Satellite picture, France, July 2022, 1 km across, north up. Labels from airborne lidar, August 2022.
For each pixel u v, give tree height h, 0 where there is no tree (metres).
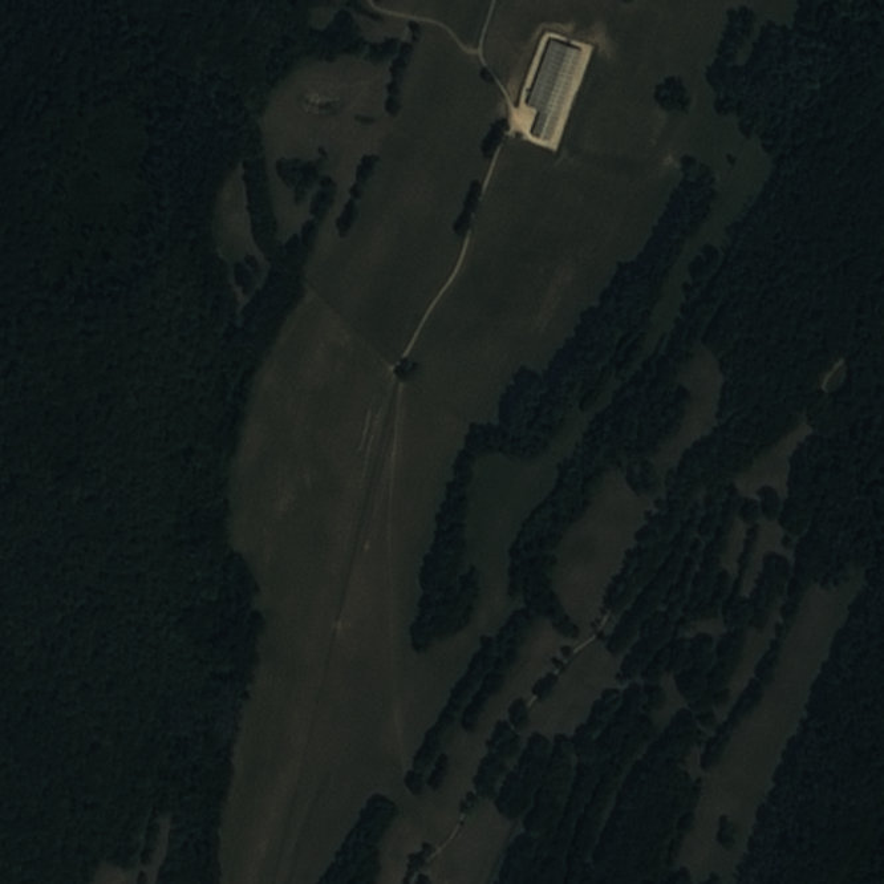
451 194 0
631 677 15
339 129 0
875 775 26
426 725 0
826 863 27
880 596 23
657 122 0
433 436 0
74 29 19
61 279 7
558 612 19
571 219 0
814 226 21
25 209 24
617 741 19
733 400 16
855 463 18
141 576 17
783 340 21
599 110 0
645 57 0
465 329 0
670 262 23
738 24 17
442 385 0
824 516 19
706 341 15
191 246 22
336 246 0
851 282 21
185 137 19
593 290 0
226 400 23
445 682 0
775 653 7
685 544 17
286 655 0
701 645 19
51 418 19
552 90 0
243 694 20
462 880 0
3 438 15
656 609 10
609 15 0
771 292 22
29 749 20
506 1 0
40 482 14
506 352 0
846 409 15
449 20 0
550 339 0
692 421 0
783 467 0
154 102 8
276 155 0
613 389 0
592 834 15
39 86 21
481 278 0
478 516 0
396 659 0
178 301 17
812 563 18
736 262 20
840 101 25
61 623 19
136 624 9
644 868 25
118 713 18
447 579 21
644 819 23
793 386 18
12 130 25
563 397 31
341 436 0
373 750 0
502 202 0
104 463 15
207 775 28
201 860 22
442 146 0
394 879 0
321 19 0
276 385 0
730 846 16
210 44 20
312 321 0
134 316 22
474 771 0
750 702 14
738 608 20
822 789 25
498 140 13
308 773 0
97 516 21
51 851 19
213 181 20
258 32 20
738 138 0
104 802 14
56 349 19
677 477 19
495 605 0
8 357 7
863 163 16
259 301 16
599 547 0
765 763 0
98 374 21
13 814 19
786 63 25
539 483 0
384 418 0
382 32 0
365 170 16
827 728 24
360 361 0
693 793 19
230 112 19
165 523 14
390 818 14
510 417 26
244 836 0
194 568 19
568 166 0
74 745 22
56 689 21
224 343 25
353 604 0
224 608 23
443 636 15
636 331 15
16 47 26
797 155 25
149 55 18
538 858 19
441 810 0
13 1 17
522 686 0
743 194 0
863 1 18
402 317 0
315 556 0
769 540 0
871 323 20
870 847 12
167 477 18
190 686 16
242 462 0
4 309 27
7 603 15
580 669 0
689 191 23
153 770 21
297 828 0
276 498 0
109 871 0
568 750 14
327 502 0
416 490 0
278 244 16
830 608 0
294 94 0
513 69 0
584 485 18
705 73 0
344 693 0
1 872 20
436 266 0
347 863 21
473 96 0
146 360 19
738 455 16
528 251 0
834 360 9
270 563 0
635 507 0
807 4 18
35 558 18
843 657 22
